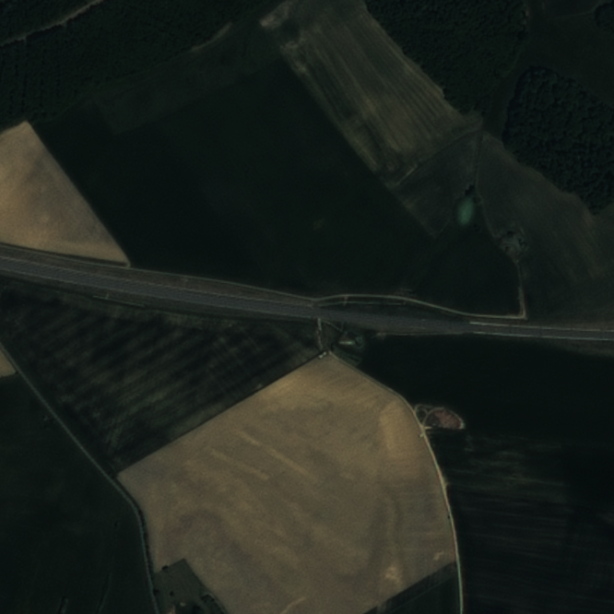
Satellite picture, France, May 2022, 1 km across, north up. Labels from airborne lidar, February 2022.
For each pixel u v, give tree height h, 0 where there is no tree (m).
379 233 0
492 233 0
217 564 0
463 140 0
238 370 0
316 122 0
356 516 0
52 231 0
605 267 0
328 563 0
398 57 0
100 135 0
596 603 0
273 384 0
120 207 0
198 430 0
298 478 0
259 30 0
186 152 0
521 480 0
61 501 0
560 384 0
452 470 0
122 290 0
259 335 0
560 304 0
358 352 0
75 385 0
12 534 0
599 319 0
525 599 0
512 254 0
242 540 0
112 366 0
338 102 0
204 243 0
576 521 0
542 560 0
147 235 0
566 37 0
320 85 0
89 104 0
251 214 0
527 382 0
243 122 0
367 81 0
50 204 0
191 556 0
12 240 0
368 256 0
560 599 0
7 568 0
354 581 0
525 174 0
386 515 0
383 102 0
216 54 0
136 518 0
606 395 0
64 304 0
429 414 0
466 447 0
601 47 0
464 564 0
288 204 0
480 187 0
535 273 0
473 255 0
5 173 0
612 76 0
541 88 22
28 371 0
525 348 0
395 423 0
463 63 14
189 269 0
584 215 0
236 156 0
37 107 12
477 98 14
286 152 0
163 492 0
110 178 0
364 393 0
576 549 0
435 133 0
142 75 0
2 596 0
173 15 12
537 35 0
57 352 0
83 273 0
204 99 0
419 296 0
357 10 0
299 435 0
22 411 0
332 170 0
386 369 0
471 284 0
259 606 0
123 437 0
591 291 0
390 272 0
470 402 0
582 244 0
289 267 0
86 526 0
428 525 0
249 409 0
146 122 0
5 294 0
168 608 0
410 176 0
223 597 0
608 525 0
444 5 22
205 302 0
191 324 0
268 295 0
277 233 0
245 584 0
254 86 0
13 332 0
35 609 0
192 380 0
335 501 0
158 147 0
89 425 0
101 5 7
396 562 0
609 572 0
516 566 0
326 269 0
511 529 0
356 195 0
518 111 24
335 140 0
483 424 0
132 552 0
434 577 0
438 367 0
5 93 14
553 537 0
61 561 0
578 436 0
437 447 0
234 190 0
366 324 0
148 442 0
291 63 0
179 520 0
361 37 0
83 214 0
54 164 0
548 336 0
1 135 0
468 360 0
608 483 0
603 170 23
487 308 0
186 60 0
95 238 0
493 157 0
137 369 0
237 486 0
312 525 0
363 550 0
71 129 0
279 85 0
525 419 0
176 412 0
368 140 0
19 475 0
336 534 0
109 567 0
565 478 0
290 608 0
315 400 0
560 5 0
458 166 0
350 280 0
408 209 0
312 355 0
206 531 0
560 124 23
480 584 0
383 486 0
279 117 0
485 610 0
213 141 0
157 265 0
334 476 0
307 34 0
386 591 0
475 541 0
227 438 0
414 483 0
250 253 0
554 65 0
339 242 0
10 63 15
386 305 0
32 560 0
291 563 0
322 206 0
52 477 0
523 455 0
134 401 0
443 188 0
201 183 0
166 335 0
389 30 14
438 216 0
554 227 0
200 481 0
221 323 0
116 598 0
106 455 0
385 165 0
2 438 0
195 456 0
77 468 0
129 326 0
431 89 0
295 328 0
